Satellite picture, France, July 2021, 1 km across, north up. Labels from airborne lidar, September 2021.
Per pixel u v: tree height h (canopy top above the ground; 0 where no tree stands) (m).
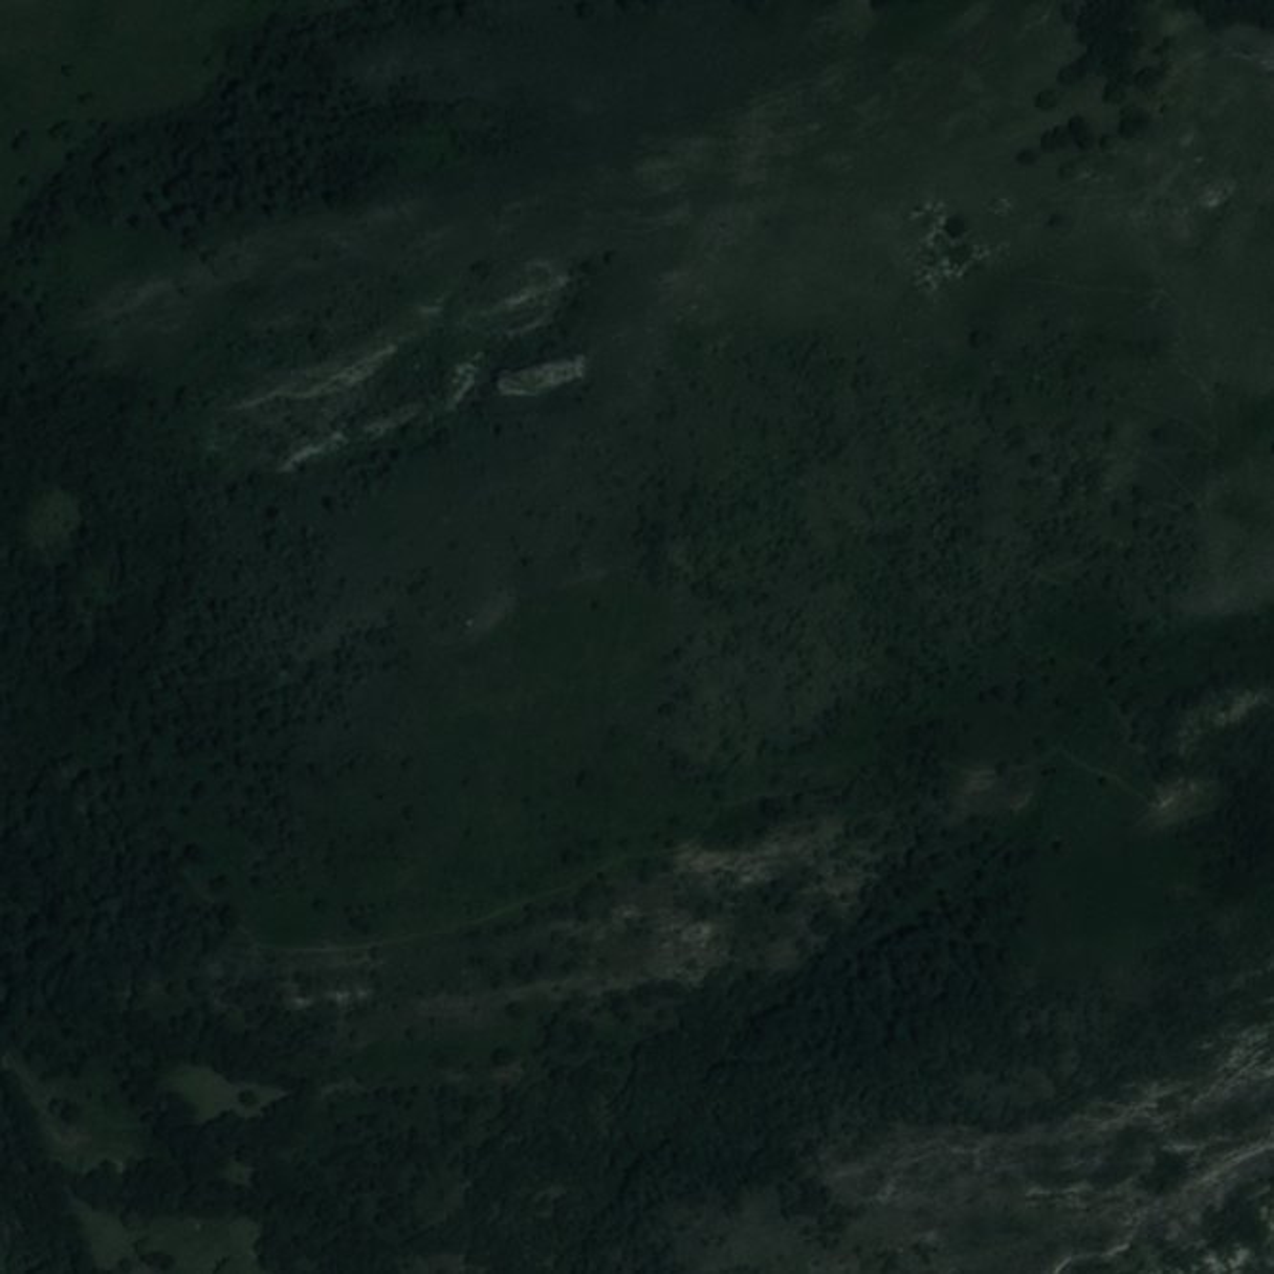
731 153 0
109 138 11
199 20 0
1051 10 0
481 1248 14
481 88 0
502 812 0
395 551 0
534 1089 8
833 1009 17
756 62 0
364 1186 10
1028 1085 8
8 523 7
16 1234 7
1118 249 0
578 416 0
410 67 0
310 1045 6
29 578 16
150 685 19
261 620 5
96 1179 17
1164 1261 8
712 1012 16
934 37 0
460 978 0
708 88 0
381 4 21
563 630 0
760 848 0
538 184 0
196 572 9
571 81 0
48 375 8
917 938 26
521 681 0
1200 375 0
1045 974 0
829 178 0
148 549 7
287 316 0
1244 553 7
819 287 0
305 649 8
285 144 13
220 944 11
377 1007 6
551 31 0
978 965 8
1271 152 0
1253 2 25
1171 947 6
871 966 12
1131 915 0
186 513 13
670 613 0
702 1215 7
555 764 0
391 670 9
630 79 0
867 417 7
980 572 9
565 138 0
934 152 0
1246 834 20
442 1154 8
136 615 9
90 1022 14
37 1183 11
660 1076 12
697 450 6
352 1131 9
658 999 14
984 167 0
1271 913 7
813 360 10
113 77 0
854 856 6
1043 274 0
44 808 19
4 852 19
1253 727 6
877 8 11
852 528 8
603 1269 9
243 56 9
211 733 10
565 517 0
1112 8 19
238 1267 12
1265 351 0
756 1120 11
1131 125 16
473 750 0
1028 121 0
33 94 0
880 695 14
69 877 16
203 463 6
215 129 9
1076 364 8
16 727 19
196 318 0
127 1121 0
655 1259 6
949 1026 12
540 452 0
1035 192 0
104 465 10
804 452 11
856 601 12
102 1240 0
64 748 8
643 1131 13
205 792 13
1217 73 0
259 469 7
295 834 14
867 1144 9
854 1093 10
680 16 0
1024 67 0
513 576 0
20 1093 17
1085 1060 9
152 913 21
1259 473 0
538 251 0
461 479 0
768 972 9
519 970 13
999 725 0
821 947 9
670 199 0
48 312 11
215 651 14
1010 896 9
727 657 9
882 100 0
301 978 11
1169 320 0
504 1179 13
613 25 0
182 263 0
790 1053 10
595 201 0
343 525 0
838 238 0
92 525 10
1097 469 12
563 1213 12
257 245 0
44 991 6
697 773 7
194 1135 21
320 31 15
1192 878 0
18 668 7
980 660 9
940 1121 11
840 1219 8
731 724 7
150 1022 18
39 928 22
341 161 11
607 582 0
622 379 0
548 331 6
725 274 0
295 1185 9
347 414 8
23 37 0
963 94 0
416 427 11
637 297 0
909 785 15
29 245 13
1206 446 0
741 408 8
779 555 9
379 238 0
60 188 17
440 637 0
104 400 6
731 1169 12
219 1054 17
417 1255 7
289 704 8
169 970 15
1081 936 0
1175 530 11
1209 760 6
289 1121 20
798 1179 9
